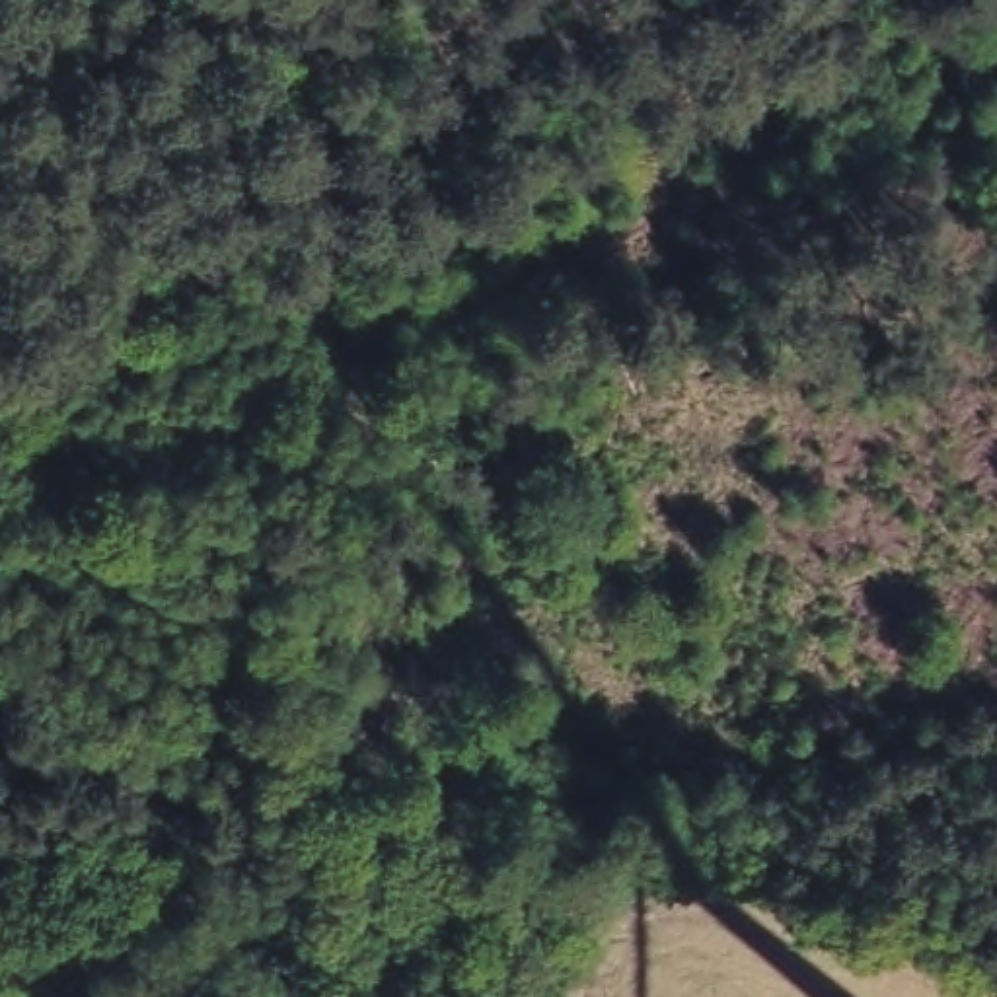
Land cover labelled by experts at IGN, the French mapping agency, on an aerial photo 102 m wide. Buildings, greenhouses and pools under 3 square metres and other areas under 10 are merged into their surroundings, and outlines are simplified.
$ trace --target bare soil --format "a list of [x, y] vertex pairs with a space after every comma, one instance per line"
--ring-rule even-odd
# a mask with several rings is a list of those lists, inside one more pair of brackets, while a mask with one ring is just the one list
[[[740, 374], [736, 382], [701, 382], [705, 362], [689, 347], [662, 347], [639, 370], [627, 366], [615, 382], [623, 393], [619, 413], [627, 428], [643, 444], [666, 440], [678, 456], [678, 471], [666, 471], [662, 491], [701, 495], [709, 502], [740, 495], [756, 506], [752, 518], [767, 534], [763, 553], [779, 553], [787, 561], [783, 611], [802, 615], [802, 608], [814, 596], [857, 600], [865, 592], [865, 580], [880, 572], [923, 572], [946, 619], [954, 619], [958, 635], [966, 639], [962, 670], [978, 670], [997, 650], [997, 389], [946, 389], [919, 405], [919, 417], [868, 428], [861, 413], [814, 417], [798, 393], [771, 393], [763, 382], [756, 386], [748, 374]], [[771, 436], [779, 436], [775, 452], [767, 452], [767, 467], [806, 467], [818, 471], [826, 483], [841, 487], [849, 475], [865, 475], [861, 444], [884, 440], [888, 456], [880, 460], [876, 475], [880, 483], [900, 487], [915, 502], [915, 518], [907, 526], [861, 495], [833, 510], [830, 530], [810, 530], [806, 518], [779, 514], [775, 499], [736, 467], [732, 448], [740, 444], [740, 432], [752, 417], [763, 417], [771, 425]]]

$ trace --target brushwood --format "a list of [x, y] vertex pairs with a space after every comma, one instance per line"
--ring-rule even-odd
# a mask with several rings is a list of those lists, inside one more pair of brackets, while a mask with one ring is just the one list
[[635, 674], [635, 693], [666, 693], [674, 701], [689, 701], [701, 717], [752, 713], [756, 705], [794, 701], [802, 674], [794, 666], [798, 650], [810, 639], [818, 639], [802, 615], [783, 611], [787, 561], [779, 553], [763, 553], [767, 534], [752, 518], [736, 534], [728, 534], [720, 549], [709, 557], [709, 569], [697, 580], [697, 608], [689, 615], [674, 615], [670, 600], [662, 596], [643, 596], [623, 623], [600, 623], [592, 608], [600, 584], [596, 576], [588, 572], [557, 584], [557, 572], [526, 572], [526, 557], [510, 553], [491, 530], [491, 491], [483, 483], [483, 456], [475, 448], [456, 448], [456, 421], [421, 428], [425, 456], [413, 471], [397, 475], [405, 491], [397, 502], [405, 514], [413, 514], [413, 530], [405, 530], [405, 541], [378, 553], [362, 549], [370, 557], [370, 588], [405, 576], [405, 600], [389, 623], [389, 639], [370, 643], [382, 662], [382, 678], [413, 693], [428, 717], [487, 705], [499, 720], [510, 720], [514, 713], [522, 713], [526, 701], [545, 693], [553, 693], [561, 709], [584, 693], [584, 682], [569, 674], [576, 646], [600, 650], [615, 674]]
[[[580, 78], [569, 82], [561, 93], [553, 86], [530, 86], [526, 101], [518, 101], [502, 129], [514, 136], [537, 132], [537, 152], [526, 152], [522, 179], [502, 179], [506, 203], [491, 222], [463, 226], [456, 218], [444, 218], [436, 234], [421, 234], [413, 249], [397, 245], [397, 234], [386, 238], [378, 230], [366, 230], [362, 245], [343, 265], [331, 265], [331, 277], [304, 277], [300, 292], [280, 296], [265, 308], [269, 319], [304, 323], [308, 335], [327, 347], [335, 378], [354, 393], [378, 366], [425, 358], [440, 347], [471, 351], [471, 374], [483, 374], [495, 386], [514, 378], [514, 362], [502, 351], [495, 351], [491, 335], [514, 335], [534, 358], [557, 354], [565, 339], [608, 339], [619, 351], [619, 362], [627, 366], [639, 370], [662, 347], [689, 347], [705, 362], [728, 351], [771, 351], [794, 358], [814, 339], [826, 351], [845, 351], [861, 358], [865, 389], [872, 389], [876, 397], [892, 397], [919, 374], [919, 362], [931, 351], [939, 351], [950, 339], [954, 323], [981, 319], [985, 288], [997, 292], [997, 27], [989, 27], [985, 35], [962, 31], [962, 12], [942, 16], [931, 27], [915, 23], [915, 16], [907, 16], [904, 23], [884, 19], [868, 31], [849, 70], [841, 62], [798, 62], [798, 70], [787, 82], [767, 82], [763, 74], [752, 74], [748, 97], [720, 109], [697, 105], [678, 113], [678, 105], [662, 97], [670, 90], [662, 62], [646, 70], [627, 66], [623, 78], [611, 78], [604, 86]], [[872, 265], [853, 269], [845, 277], [767, 277], [767, 257], [775, 253], [779, 230], [791, 226], [794, 206], [822, 203], [833, 187], [857, 191], [865, 175], [888, 156], [919, 160], [931, 171], [931, 183], [911, 187], [911, 203], [927, 203], [927, 218], [939, 226], [939, 234], [872, 238]]]
[[775, 499], [810, 499], [826, 483], [818, 471], [806, 467], [767, 467], [767, 452], [775, 452], [779, 436], [771, 436], [771, 425], [763, 417], [752, 417], [740, 432], [740, 444], [732, 448], [736, 467]]

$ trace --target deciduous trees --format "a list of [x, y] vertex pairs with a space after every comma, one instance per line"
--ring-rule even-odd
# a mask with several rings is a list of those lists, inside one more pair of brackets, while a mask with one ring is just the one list
[[900, 654], [896, 674], [915, 685], [942, 685], [962, 670], [966, 639], [958, 635], [954, 619], [946, 619], [915, 662]]
[[791, 911], [783, 919], [787, 935], [779, 942], [794, 946], [802, 958], [810, 950], [830, 950], [845, 958], [853, 970], [849, 981], [915, 966], [939, 981], [942, 997], [997, 997], [997, 837], [974, 861], [958, 857], [954, 849], [907, 849], [900, 865], [904, 911], [896, 911], [884, 927], [865, 927], [837, 911], [826, 911], [818, 919], [810, 911]]
[[[93, 818], [78, 826], [78, 833], [62, 822], [66, 814], [58, 806], [23, 806], [4, 818], [8, 787], [0, 783], [0, 997], [27, 997], [35, 978], [74, 958], [93, 978], [90, 997], [569, 997], [604, 962], [600, 927], [623, 919], [635, 896], [646, 896], [650, 904], [682, 904], [674, 896], [670, 868], [650, 830], [615, 830], [608, 837], [608, 857], [576, 872], [572, 880], [541, 857], [534, 857], [530, 849], [522, 849], [514, 861], [491, 872], [483, 896], [467, 896], [460, 841], [436, 833], [440, 767], [475, 771], [487, 759], [499, 759], [510, 783], [534, 787], [553, 779], [553, 744], [545, 736], [561, 709], [553, 693], [545, 693], [526, 701], [522, 713], [514, 713], [510, 720], [499, 720], [487, 705], [428, 717], [413, 693], [382, 678], [382, 662], [370, 643], [389, 639], [389, 623], [405, 600], [405, 576], [370, 588], [370, 557], [362, 549], [378, 553], [405, 541], [405, 530], [413, 530], [413, 514], [405, 514], [397, 502], [405, 491], [397, 475], [413, 471], [425, 456], [421, 428], [456, 421], [456, 448], [475, 448], [483, 456], [483, 483], [491, 491], [491, 530], [510, 553], [526, 557], [526, 572], [557, 572], [557, 584], [588, 572], [596, 576], [604, 561], [631, 557], [643, 541], [643, 530], [631, 522], [627, 491], [615, 479], [615, 467], [608, 467], [596, 456], [580, 456], [569, 444], [569, 432], [561, 428], [510, 425], [506, 417], [487, 413], [483, 405], [491, 401], [495, 386], [483, 374], [471, 374], [471, 351], [440, 347], [425, 358], [378, 366], [354, 393], [335, 378], [327, 347], [308, 335], [304, 323], [269, 319], [265, 308], [280, 296], [261, 277], [241, 277], [226, 296], [195, 304], [191, 335], [129, 335], [129, 323], [121, 319], [101, 331], [82, 331], [66, 347], [55, 347], [19, 386], [0, 382], [0, 701], [8, 693], [19, 693], [23, 713], [31, 717], [23, 740], [12, 748], [16, 763], [35, 767], [43, 775], [62, 767], [117, 775], [117, 794], [109, 794], [93, 810]], [[140, 452], [167, 444], [179, 428], [214, 428], [222, 440], [230, 440], [218, 456], [218, 483], [206, 487], [199, 502], [191, 502], [187, 495], [164, 499], [160, 491], [101, 495], [105, 530], [97, 537], [58, 534], [31, 506], [27, 463], [55, 440], [93, 436], [117, 440], [125, 452]], [[277, 783], [265, 783], [261, 802], [253, 802], [241, 814], [226, 802], [222, 791], [210, 787], [203, 810], [218, 818], [218, 833], [210, 849], [206, 907], [195, 927], [171, 935], [156, 919], [156, 911], [164, 892], [179, 880], [179, 865], [144, 853], [148, 794], [156, 791], [167, 798], [183, 798], [187, 759], [206, 752], [210, 732], [226, 736], [249, 759], [284, 763], [284, 771]]]

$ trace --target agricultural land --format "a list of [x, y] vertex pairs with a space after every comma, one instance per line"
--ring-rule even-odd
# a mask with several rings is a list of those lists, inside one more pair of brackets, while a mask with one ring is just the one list
[[845, 958], [830, 950], [810, 950], [802, 958], [794, 946], [779, 942], [787, 935], [783, 919], [763, 904], [740, 907], [732, 896], [720, 900], [713, 911], [682, 904], [650, 904], [646, 896], [635, 896], [623, 919], [600, 927], [604, 962], [569, 997], [942, 997], [939, 981], [915, 966], [849, 981], [853, 970]]

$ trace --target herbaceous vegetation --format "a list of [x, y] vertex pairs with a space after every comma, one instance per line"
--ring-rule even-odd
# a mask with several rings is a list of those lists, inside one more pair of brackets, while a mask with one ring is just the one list
[[915, 502], [900, 487], [880, 483], [876, 475], [880, 460], [888, 456], [884, 440], [861, 444], [865, 475], [849, 475], [841, 487], [826, 483], [810, 499], [775, 499], [779, 514], [806, 518], [810, 530], [830, 530], [833, 510], [861, 495], [907, 526], [915, 518]]
[[939, 351], [931, 351], [919, 362], [919, 374], [892, 397], [876, 397], [872, 389], [865, 389], [861, 358], [845, 351], [826, 351], [814, 339], [794, 358], [771, 351], [728, 351], [705, 362], [701, 382], [736, 382], [740, 374], [748, 374], [756, 386], [763, 382], [771, 393], [798, 393], [814, 417], [861, 413], [868, 428], [919, 417], [919, 405], [946, 389], [997, 389], [997, 292], [985, 288], [981, 319], [954, 323], [950, 339]]
[[709, 557], [720, 549], [728, 534], [736, 534], [752, 518], [756, 506], [740, 495], [709, 502], [701, 495], [662, 491], [666, 471], [678, 471], [678, 456], [666, 440], [643, 444], [627, 428], [619, 413], [623, 393], [615, 382], [627, 366], [619, 362], [619, 351], [608, 339], [565, 339], [557, 354], [534, 358], [514, 335], [491, 335], [495, 351], [502, 351], [514, 362], [514, 378], [495, 386], [491, 401], [483, 405], [487, 413], [506, 417], [510, 425], [561, 428], [569, 432], [569, 444], [580, 456], [596, 456], [608, 467], [615, 467], [615, 479], [627, 491], [631, 522], [643, 530], [643, 541], [631, 557], [604, 561], [596, 576], [600, 584], [592, 608], [600, 623], [623, 623], [643, 596], [662, 596], [670, 600], [674, 615], [689, 615], [697, 608], [697, 580], [709, 569]]
[[939, 226], [927, 218], [927, 203], [911, 203], [911, 187], [931, 183], [931, 171], [919, 160], [888, 156], [865, 175], [857, 191], [833, 187], [822, 203], [794, 206], [791, 226], [779, 230], [775, 253], [767, 257], [767, 277], [845, 277], [853, 269], [872, 265], [872, 238], [939, 234]]
[[915, 662], [946, 619], [923, 572], [880, 572], [865, 580], [865, 592], [857, 600], [814, 596], [802, 608], [802, 615], [818, 639], [810, 639], [798, 650], [794, 666], [802, 674], [794, 701], [756, 705], [752, 713], [701, 717], [689, 701], [674, 701], [666, 693], [635, 693], [635, 674], [615, 674], [600, 650], [576, 646], [569, 674], [584, 682], [584, 693], [561, 709], [545, 736], [553, 744], [553, 779], [553, 806], [584, 830], [592, 822], [604, 822], [608, 806], [631, 787], [658, 791], [662, 779], [670, 779], [670, 759], [682, 752], [720, 756], [724, 748], [736, 748], [752, 752], [756, 759], [767, 759], [767, 752], [794, 756], [798, 732], [810, 728], [810, 756], [818, 759], [822, 779], [826, 771], [845, 771], [853, 759], [865, 759], [892, 724], [904, 724], [919, 736], [923, 724], [939, 724], [970, 740], [997, 724], [997, 650], [978, 670], [962, 670], [942, 685], [915, 685], [896, 674], [900, 654]]

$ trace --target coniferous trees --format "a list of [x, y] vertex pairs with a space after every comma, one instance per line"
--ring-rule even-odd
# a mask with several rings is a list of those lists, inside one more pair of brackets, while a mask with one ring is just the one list
[[35, 978], [27, 997], [90, 997], [93, 978], [74, 958]]
[[896, 911], [904, 911], [900, 865], [907, 849], [954, 849], [958, 857], [974, 861], [997, 837], [997, 724], [970, 740], [939, 724], [923, 724], [919, 736], [904, 724], [892, 724], [865, 759], [853, 759], [845, 771], [826, 771], [822, 779], [818, 759], [810, 756], [810, 728], [798, 732], [794, 756], [767, 752], [767, 759], [756, 759], [752, 752], [736, 748], [724, 748], [720, 756], [682, 752], [670, 759], [670, 779], [662, 779], [658, 791], [631, 787], [608, 806], [604, 822], [592, 822], [584, 830], [553, 806], [553, 779], [534, 787], [510, 783], [499, 759], [487, 759], [475, 771], [440, 767], [436, 833], [460, 841], [467, 896], [483, 896], [491, 872], [514, 861], [522, 849], [530, 849], [534, 857], [541, 857], [572, 880], [576, 872], [608, 857], [608, 837], [615, 830], [650, 830], [670, 868], [674, 896], [682, 904], [713, 911], [720, 900], [732, 896], [740, 907], [763, 904], [783, 919], [791, 911], [810, 911], [818, 919], [826, 911], [837, 911], [865, 927], [884, 927]]
[[109, 794], [117, 794], [117, 775], [62, 767], [43, 775], [35, 767], [16, 763], [12, 748], [23, 740], [31, 717], [23, 713], [19, 693], [8, 693], [0, 701], [0, 783], [8, 787], [4, 818], [23, 806], [58, 806], [66, 814], [62, 822], [78, 833], [78, 826], [93, 818], [93, 810]]
[[125, 452], [117, 440], [93, 436], [55, 440], [27, 463], [31, 506], [58, 534], [97, 537], [105, 530], [101, 495], [160, 491], [164, 499], [187, 495], [191, 502], [199, 502], [206, 487], [218, 483], [218, 456], [230, 440], [222, 440], [214, 428], [179, 428], [167, 444], [140, 452]]
[[144, 853], [179, 865], [179, 880], [164, 892], [156, 911], [156, 919], [171, 935], [195, 927], [206, 907], [210, 849], [218, 833], [218, 818], [203, 810], [210, 787], [222, 791], [226, 802], [241, 814], [253, 802], [261, 802], [265, 783], [277, 783], [284, 771], [284, 763], [249, 759], [226, 736], [210, 732], [206, 752], [187, 759], [183, 798], [167, 798], [156, 791], [148, 794]]
[[537, 152], [537, 132], [514, 136], [502, 129], [518, 101], [526, 101], [530, 86], [553, 86], [561, 93], [569, 82], [580, 78], [604, 86], [611, 78], [623, 78], [627, 66], [646, 70], [662, 62], [670, 90], [662, 97], [678, 105], [678, 113], [697, 105], [720, 109], [748, 97], [752, 74], [763, 74], [767, 82], [787, 82], [798, 70], [798, 62], [841, 62], [849, 70], [868, 31], [884, 19], [904, 23], [907, 16], [915, 16], [915, 23], [931, 27], [942, 16], [962, 12], [962, 31], [985, 35], [989, 27], [997, 27], [997, 0], [0, 0], [0, 382], [19, 386], [55, 347], [66, 347], [82, 331], [101, 331], [121, 319], [129, 323], [129, 335], [191, 335], [195, 304], [226, 296], [241, 277], [261, 277], [280, 296], [300, 292], [304, 277], [331, 277], [331, 265], [343, 265], [362, 245], [366, 230], [378, 230], [386, 238], [397, 234], [397, 245], [413, 249], [421, 234], [436, 234], [444, 218], [456, 218], [463, 226], [491, 222], [506, 203], [502, 179], [522, 179], [526, 152]]

